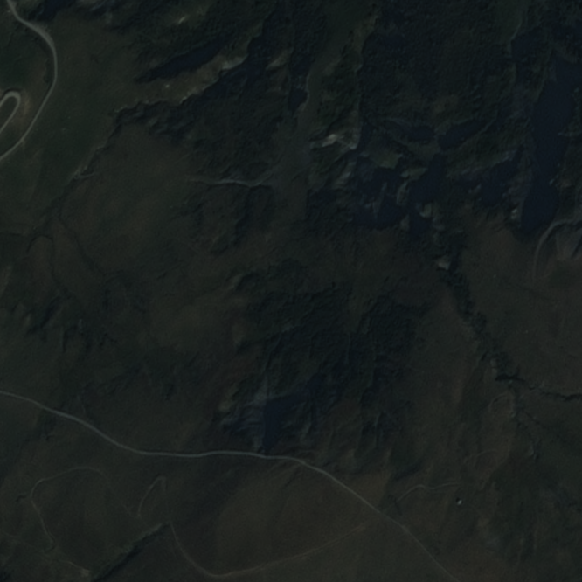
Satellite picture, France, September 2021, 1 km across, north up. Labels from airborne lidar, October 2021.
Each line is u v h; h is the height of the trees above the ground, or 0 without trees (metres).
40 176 0
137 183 0
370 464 0
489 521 0
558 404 0
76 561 0
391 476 0
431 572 0
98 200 0
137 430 0
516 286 0
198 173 0
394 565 0
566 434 0
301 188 0
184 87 0
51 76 0
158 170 0
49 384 0
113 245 0
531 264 0
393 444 0
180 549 0
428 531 0
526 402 0
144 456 0
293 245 0
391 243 0
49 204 0
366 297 0
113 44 0
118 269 0
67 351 0
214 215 0
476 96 6
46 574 0
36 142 0
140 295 0
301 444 0
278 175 0
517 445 0
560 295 0
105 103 0
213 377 0
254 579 0
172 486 0
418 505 0
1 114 0
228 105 0
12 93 0
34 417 0
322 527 0
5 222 0
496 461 0
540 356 0
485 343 0
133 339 0
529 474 0
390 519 0
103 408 0
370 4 0
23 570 0
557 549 0
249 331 0
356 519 0
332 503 0
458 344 0
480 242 0
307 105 0
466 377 0
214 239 0
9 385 0
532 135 0
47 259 0
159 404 0
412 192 0
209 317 0
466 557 0
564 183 0
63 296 0
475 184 0
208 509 0
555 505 0
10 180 0
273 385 0
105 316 0
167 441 0
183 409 0
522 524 0
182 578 0
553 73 0
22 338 0
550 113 0
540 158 0
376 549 0
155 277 0
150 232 0
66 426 0
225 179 0
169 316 0
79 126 0
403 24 7
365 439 0
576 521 0
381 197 0
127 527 0
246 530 0
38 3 0
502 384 0
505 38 0
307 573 0
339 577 0
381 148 0
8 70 0
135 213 0
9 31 0
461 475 0
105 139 0
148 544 0
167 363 0
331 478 0
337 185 0
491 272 0
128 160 0
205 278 0
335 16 0
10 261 0
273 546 0
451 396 0
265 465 0
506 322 0
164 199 0
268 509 0
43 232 0
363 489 0
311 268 0
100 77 0
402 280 0
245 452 0
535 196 0
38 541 0
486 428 0
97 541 0
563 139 0
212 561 0
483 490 0
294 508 0
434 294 0
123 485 0
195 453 0
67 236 0
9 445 0
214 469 0
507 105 0
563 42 7
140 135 0
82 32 0
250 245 0
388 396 0
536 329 0
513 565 0
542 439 0
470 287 0
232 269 0
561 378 0
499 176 0
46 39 0
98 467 0
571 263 0
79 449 0
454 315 0
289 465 0
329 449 0
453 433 0
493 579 0
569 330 0
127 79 0
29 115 0
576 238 0
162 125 0
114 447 0
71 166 0
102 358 0
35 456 0
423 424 0
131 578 0
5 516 0
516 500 0
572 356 0
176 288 0
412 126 0
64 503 0
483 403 0
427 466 0
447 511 0
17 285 0
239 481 0
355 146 0
